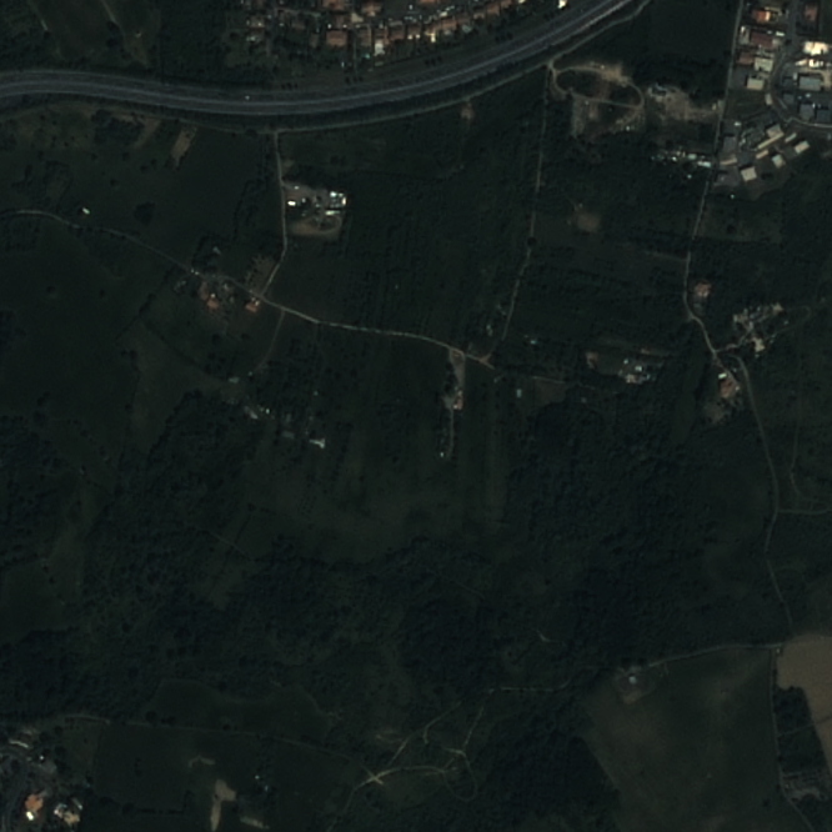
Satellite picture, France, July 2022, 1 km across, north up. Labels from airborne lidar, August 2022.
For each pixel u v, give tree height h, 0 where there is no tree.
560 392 0
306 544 0
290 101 0
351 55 6
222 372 10
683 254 9
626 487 9
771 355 6
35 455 7
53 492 6
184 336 0
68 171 6
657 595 8
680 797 0
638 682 0
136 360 12
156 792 0
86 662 12
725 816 0
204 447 9
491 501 0
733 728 0
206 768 0
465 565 8
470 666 13
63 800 6
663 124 0
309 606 14
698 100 11
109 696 13
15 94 0
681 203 7
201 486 17
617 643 13
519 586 0
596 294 7
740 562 0
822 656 0
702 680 0
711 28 0
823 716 0
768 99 0
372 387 0
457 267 0
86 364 0
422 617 14
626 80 0
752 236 0
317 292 0
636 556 15
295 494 0
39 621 0
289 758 0
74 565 0
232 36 9
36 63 6
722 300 9
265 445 0
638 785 0
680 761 0
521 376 8
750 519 0
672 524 16
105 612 8
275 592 19
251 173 0
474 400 0
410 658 10
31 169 9
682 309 8
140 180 0
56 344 0
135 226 0
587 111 0
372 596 5
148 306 8
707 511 8
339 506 0
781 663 0
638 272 0
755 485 0
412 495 0
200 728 0
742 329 13
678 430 0
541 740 19
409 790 0
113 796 0
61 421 0
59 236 0
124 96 0
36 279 0
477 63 0
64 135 0
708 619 9
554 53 6
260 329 0
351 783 0
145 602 9
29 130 0
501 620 7
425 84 0
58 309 0
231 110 0
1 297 0
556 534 14
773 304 8
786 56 0
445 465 0
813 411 0
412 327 6
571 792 11
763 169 0
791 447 0
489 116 7
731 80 0
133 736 0
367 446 0
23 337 11
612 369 0
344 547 0
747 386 0
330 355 0
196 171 0
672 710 0
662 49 0
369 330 8
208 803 0
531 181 5
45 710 7
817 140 0
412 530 0
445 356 0
